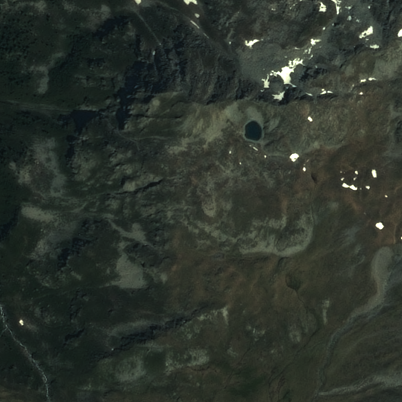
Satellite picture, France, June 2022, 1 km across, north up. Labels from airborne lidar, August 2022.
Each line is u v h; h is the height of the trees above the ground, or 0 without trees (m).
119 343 0
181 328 0
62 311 0
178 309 0
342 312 0
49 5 0
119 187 0
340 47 0
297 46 0
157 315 0
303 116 0
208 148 0
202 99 0
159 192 0
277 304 0
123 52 0
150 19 0
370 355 0
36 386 0
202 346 0
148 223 0
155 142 0
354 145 0
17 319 0
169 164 0
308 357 0
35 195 0
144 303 0
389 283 0
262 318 0
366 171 0
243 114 0
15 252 0
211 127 0
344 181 0
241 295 0
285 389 0
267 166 0
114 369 0
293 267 0
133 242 0
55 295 0
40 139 0
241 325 0
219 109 0
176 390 0
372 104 0
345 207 0
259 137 0
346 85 0
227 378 0
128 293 0
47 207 0
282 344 0
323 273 0
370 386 0
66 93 0
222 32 0
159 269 0
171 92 0
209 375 0
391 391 0
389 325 0
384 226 0
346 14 0
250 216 0
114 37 0
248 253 0
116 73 0
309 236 0
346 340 0
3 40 9
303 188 0
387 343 0
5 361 0
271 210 0
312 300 0
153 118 0
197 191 0
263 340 0
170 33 0
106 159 0
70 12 0
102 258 0
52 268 0
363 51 0
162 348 0
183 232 0
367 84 0
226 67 0
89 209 0
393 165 0
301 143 0
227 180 0
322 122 0
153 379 0
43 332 0
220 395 0
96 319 0
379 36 0
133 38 0
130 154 0
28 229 0
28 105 0
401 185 0
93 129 0
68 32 0
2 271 0
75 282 0
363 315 0
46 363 0
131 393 0
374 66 0
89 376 0
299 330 0
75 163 0
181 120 0
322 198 0
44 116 0
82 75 0
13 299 0
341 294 0
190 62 0
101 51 0
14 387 0
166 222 0
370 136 0
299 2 0
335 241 0
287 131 0
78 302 0
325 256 0
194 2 0
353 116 0
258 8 0
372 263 0
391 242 0
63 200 0
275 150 0
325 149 0
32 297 0
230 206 0
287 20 0
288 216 0
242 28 0
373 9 0
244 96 0
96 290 0
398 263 0
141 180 0
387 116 0
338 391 0
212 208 0
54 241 0
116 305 0
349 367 0
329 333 0
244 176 0
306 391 0
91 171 0
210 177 0
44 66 0
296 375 0
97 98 0
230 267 0
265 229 0
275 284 0
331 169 0
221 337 0
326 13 0
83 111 0
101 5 0
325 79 0
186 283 0
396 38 0
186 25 0
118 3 0
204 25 0
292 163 0
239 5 0
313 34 0
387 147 0
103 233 0
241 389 0
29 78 8
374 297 0
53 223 0
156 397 0
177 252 0
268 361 0
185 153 0
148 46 0
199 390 0
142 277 0
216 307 0
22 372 0
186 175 0
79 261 0
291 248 0
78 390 0
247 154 0
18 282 0
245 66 0
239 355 0
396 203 0
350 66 0
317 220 0
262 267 0
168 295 0
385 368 0
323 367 0
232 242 0
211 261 0
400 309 0
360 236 0
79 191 0
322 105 0
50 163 0
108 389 0
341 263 0
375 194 0
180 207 0
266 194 0
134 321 0
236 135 0
